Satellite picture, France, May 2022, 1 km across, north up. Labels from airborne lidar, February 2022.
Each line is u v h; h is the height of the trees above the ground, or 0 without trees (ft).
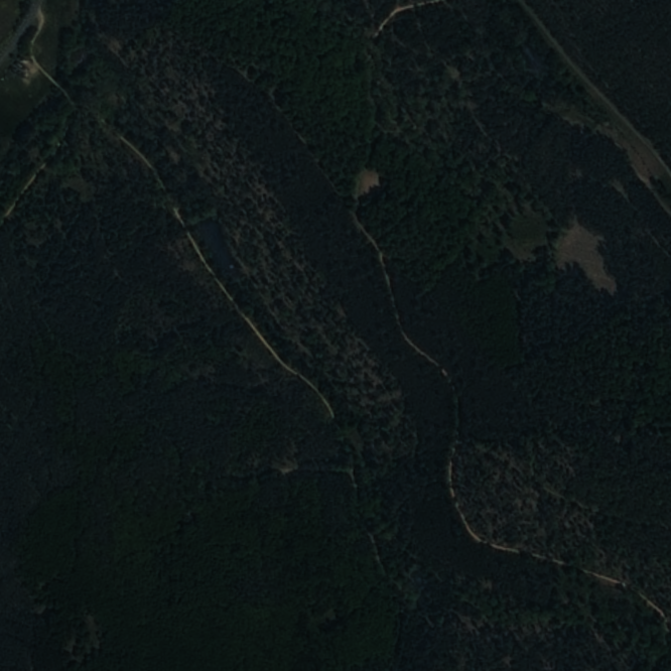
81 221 46
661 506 71
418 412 52
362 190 0
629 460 79
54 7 0
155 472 60
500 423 42
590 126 0
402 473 30
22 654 60
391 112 92
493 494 74
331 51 104
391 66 96
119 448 46
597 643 93
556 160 77
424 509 40
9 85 0
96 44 92
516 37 78
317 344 72
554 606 82
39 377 49
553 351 94
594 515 74
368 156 90
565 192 68
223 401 42
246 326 36
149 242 31
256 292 65
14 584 57
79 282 51
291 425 27
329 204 91
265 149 44
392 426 93
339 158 94
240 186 77
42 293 51
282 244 89
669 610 79
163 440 57
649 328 87
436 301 32
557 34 67
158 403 58
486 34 74
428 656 79
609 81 63
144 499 63
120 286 40
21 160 31
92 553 47
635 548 84
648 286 96
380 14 38
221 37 95
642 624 103
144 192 105
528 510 80
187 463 47
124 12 80
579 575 78
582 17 72
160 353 58
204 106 84
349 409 98
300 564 52
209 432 58
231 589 49
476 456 85
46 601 47
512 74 73
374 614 41
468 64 77
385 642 43
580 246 0
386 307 45
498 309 34
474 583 70
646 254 72
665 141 63
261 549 53
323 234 46
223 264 0
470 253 86
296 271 98
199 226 0
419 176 99
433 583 73
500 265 37
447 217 94
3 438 61
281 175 48
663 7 70
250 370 27
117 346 64
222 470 56
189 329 53
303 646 59
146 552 51
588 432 90
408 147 90
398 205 100
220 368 27
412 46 36
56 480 56
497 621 19
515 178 66
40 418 61
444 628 91
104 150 54
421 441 41
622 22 68
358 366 90
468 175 94
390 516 99
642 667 95
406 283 40
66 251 58
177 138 84
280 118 45
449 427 44
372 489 27
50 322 57
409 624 53
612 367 85
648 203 71
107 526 44
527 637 110
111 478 54
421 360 44
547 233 0
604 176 62
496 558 35
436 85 83
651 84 58
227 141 93
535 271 39
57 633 49
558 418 70
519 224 0
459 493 100
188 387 47
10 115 0
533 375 63
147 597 65
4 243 63
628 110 57
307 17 75
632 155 0
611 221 56
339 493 53
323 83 92
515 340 27
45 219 45
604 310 88
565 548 83
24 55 41
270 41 87
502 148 95
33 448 58
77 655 27
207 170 86
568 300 92
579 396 71
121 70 93
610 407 77
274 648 45
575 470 65
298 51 106
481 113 29
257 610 44
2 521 62
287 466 0
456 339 40
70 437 53
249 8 91
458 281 31
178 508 42
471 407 47
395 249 88
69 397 52
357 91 96
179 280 25
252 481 49
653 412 89
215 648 38
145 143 95
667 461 29
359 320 44
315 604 47
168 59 85
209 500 64
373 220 76
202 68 32
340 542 42
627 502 70
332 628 70
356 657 41
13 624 65
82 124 89
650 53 60
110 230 35
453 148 31
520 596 35
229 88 46
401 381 41
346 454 78
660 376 90
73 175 28
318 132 92
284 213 91
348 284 49
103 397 40
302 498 43
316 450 31
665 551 74
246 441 29
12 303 64
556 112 0
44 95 0
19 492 61
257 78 50
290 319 91
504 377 46
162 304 48
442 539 38
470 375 46
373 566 66
